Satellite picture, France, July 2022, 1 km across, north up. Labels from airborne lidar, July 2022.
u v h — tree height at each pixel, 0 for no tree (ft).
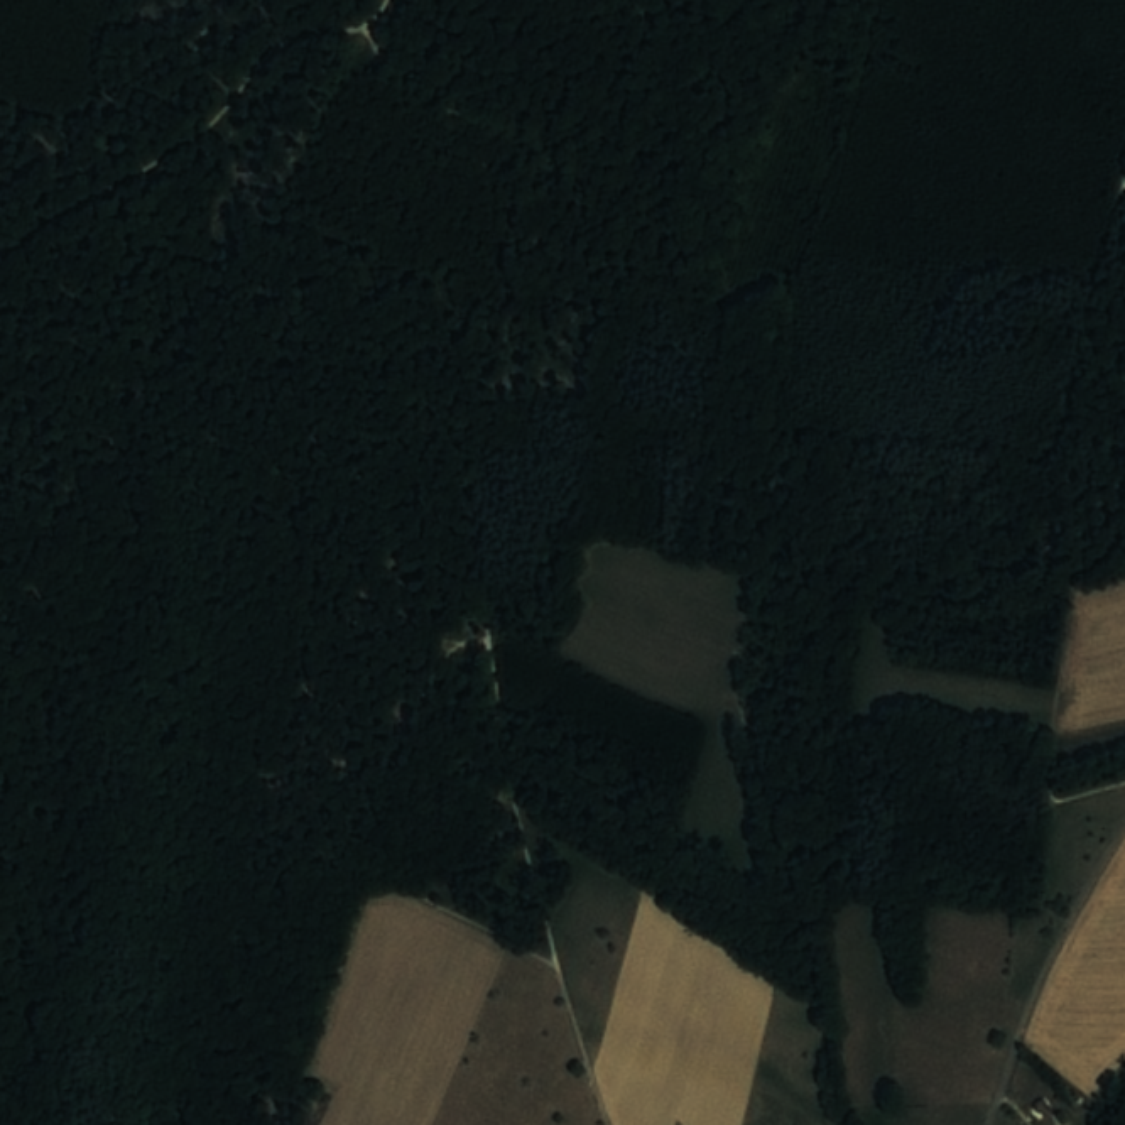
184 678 85
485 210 37
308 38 54
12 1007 88
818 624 86
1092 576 78
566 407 96
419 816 80
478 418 86
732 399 98
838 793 75
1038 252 39
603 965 0
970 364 46
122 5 76
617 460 103
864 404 52
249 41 85
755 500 88
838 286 61
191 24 85
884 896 82
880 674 0
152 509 94
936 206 29
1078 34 36
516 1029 0
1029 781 103
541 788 66
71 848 75
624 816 93
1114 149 31
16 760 108
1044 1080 30
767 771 75
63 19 38
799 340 45
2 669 90
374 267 23
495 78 81
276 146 96
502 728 86
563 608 93
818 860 99
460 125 33
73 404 88
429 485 80
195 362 92
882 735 99
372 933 0
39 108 29
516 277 85
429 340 84
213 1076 84
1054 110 30
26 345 91
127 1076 77
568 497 106
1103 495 94
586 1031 0
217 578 84
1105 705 0
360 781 101
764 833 94
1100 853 0
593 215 51
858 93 26
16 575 90
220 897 95
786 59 90
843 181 32
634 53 86
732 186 84
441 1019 0
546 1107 0
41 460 57
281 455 87
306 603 84
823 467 95
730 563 96
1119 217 44
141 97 93
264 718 88
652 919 0
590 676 31
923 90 31
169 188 89
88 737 87
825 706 52
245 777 90
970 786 89
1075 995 0
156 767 81
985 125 37
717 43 93
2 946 99
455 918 0
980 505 77
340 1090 0
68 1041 81
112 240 92
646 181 84
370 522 87
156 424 84
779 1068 0
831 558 63
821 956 99
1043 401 50
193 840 82
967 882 80
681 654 0
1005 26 31
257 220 84
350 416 89
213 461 80
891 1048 0
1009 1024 0
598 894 0
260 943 86
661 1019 0
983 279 102
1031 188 31
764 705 95
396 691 102
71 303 91
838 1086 64
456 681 78
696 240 83
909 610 83
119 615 75
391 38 70
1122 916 0
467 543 90
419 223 37
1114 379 93
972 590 94
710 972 0
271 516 93
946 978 0
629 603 0
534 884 104
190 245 105
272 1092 91
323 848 100
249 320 86
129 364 95
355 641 89
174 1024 88
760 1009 0
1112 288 95
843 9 93
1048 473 80
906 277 36
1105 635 0
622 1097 0
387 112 34
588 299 83
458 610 90
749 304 95
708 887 93
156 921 73
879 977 0
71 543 102
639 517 73
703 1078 0
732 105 86
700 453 77
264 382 85
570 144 81
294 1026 100
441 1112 0
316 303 82
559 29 78
